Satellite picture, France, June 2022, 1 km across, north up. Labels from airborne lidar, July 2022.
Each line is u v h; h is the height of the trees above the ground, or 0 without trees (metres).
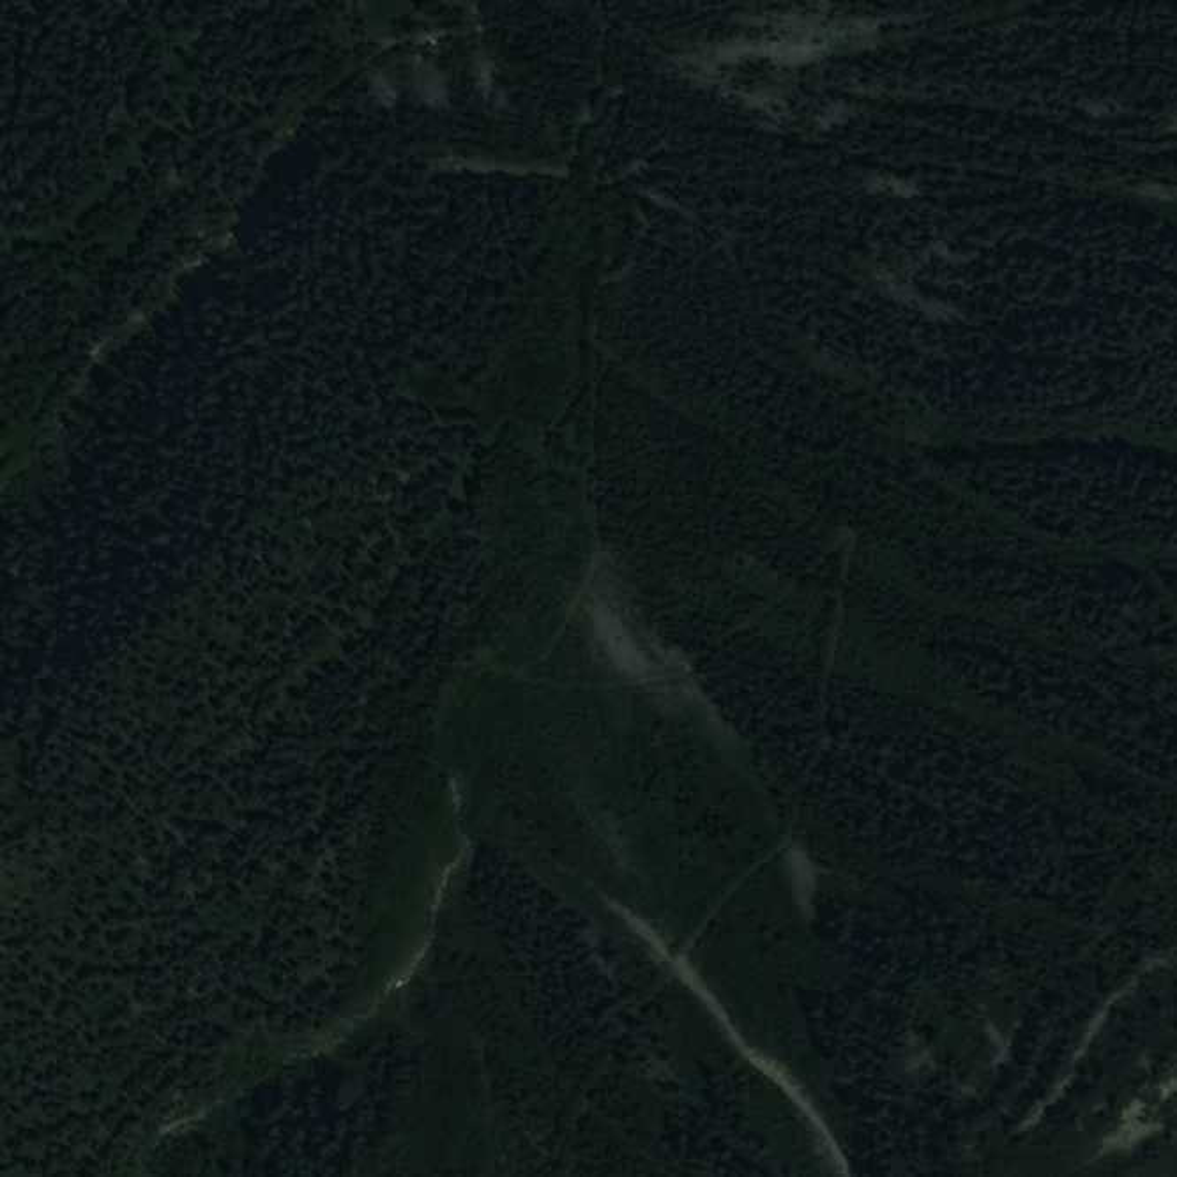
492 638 10
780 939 9
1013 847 32
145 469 14
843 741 33
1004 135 20
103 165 14
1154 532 24
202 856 32
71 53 14
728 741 0
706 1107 5
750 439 8
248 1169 11
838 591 8
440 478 38
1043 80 24
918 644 8
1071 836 19
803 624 8
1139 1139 0
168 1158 7
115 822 32
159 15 14
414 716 20
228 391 9
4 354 9
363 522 8
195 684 8
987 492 28
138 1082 27
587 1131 9
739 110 9
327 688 18
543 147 11
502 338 33
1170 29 25
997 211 14
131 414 11
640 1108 7
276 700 33
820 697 19
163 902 28
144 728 7
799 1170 6
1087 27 12
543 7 13
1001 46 16
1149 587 11
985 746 8
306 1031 36
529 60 13
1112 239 28
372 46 8
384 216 16
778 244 27
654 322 14
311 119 19
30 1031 24
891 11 27
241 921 6
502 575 9
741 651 12
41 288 8
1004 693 9
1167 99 17
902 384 29
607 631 0
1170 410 28
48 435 12
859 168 17
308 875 25
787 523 6
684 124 16
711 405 7
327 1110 6
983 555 6
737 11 15
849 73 7
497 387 11
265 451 28
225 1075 6
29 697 28
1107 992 11
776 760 11
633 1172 8
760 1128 6
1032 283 25
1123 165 11
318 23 15
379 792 11
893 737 16
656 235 12
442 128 14
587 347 12
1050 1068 10
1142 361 29
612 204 9
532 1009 6
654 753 7
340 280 24
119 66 26
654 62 8
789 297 28
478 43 10
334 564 9
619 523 12
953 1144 11
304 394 6
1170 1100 0
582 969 26
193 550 13
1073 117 6
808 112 9
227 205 7
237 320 21
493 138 19
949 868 14
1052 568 6
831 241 25
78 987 21
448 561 9
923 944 7
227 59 37
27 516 9
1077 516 25
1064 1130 8
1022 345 30
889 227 9
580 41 12
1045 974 10
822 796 13
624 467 8
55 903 0
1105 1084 8
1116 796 29
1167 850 6
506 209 33
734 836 13
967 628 9
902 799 12
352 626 41
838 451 19
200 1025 7
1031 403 25
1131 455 25
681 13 8
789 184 15
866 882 10
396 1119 8
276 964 29
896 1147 8
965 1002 15
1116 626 23
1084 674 10
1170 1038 0
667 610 8
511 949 6
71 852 18
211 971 35
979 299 10
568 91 10
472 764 6
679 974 0
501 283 7
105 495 29
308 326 28
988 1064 0
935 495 22
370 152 10
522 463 9
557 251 11
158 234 30
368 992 8
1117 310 28
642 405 11
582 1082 7
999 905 8
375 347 29
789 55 0
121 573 11
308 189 34
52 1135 32
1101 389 8
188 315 13
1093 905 7
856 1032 24
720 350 24
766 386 23
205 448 13
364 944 6
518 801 7
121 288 31
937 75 26
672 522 12
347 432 8
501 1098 7
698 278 12
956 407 20
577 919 14
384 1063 9
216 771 31
